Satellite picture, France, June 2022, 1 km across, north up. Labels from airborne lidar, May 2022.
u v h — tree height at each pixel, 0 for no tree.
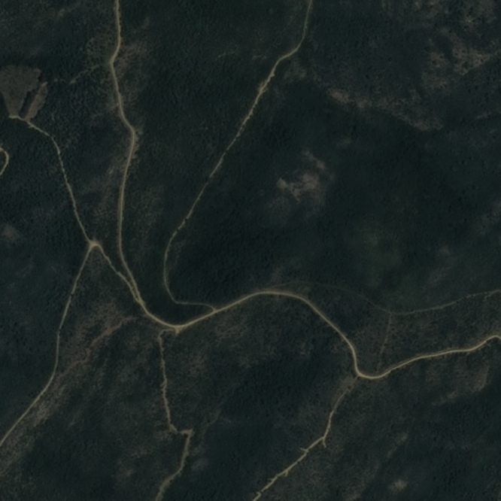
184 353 6
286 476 0
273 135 8
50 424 5
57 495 6
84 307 7
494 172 8
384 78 10
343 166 6
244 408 6
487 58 0
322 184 0
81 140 6
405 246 6
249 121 6
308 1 0
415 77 8
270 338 7
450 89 0
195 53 10
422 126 0
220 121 6
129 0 8
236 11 7
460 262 0
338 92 0
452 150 5
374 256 0
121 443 6
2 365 5
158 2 6
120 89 8
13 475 7
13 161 8
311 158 0
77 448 19
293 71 8
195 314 7
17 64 8
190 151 6
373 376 0
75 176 7
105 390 8
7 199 9
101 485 6
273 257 9
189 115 10
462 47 0
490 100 11
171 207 5
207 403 6
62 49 8
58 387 0
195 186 5
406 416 10
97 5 6
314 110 7
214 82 10
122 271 6
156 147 7
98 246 0
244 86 7
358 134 8
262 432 6
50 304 9
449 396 0
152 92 10
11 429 0
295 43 0
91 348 7
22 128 7
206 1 6
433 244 7
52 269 0
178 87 14
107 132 5
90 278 6
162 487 0
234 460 7
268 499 6
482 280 0
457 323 7
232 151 9
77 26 7
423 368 7
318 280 7
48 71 8
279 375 7
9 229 0
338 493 9
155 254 8
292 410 9
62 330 8
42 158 7
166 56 8
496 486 7
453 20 8
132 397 7
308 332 6
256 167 6
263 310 5
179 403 7
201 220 7
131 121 7
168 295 5
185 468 8
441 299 0
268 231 6
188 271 7
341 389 0
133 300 7
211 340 7
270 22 8
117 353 8
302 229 7
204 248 9
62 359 6
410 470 0
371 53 5
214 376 7
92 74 8
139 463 7
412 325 6
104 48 7
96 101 6
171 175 8
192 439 7
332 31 7
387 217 6
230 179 12
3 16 6
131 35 7
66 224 8
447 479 10
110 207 6
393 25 6
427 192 6
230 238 10
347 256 6
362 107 0
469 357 5
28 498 6
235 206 6
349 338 9
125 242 8
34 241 6
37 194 9
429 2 0
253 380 7
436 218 9
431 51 12
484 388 0
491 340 11
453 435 7
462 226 7
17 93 0
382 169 6
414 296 0
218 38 8
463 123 7
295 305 6
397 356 6
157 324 6
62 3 8
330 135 6
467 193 9
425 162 7
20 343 9
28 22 6
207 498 7
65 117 10
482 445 0
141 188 7
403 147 6
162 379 6
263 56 7
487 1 0
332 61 8
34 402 0
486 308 0
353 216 6
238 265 9
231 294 7
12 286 0
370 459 8
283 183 0
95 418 7
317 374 8
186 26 9
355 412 9
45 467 6
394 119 7
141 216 8
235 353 7
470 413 8
